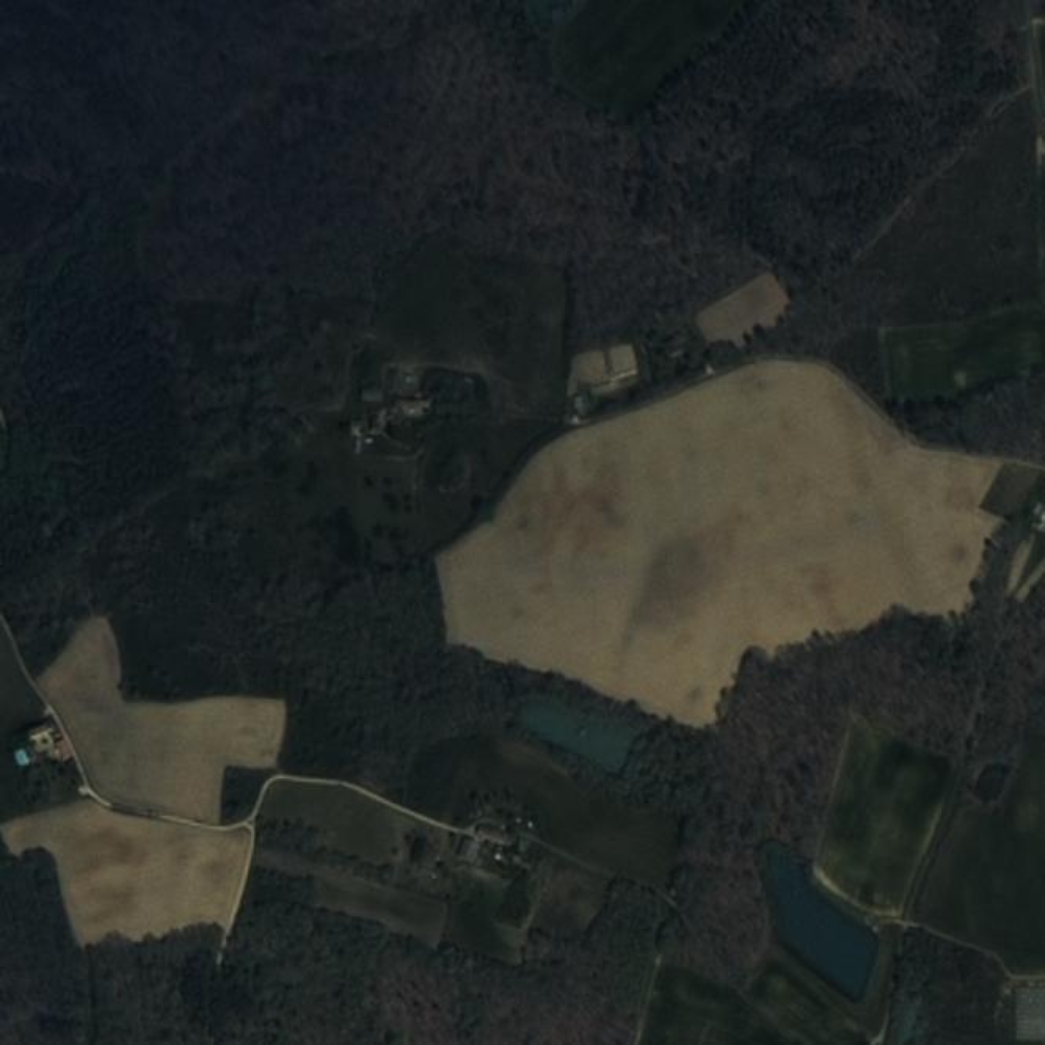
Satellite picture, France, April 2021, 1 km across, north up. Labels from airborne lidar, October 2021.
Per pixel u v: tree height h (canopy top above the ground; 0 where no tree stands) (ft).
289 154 42
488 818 0
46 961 53
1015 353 0
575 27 0
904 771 0
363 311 0
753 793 53
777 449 0
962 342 0
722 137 67
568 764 55
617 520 0
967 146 31
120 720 0
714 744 57
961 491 0
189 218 47
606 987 42
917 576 0
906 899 0
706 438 0
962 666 64
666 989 0
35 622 42
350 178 19
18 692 0
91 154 55
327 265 66
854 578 0
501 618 0
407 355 0
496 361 0
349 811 0
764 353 50
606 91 0
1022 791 0
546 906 0
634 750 30
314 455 0
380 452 0
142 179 59
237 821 48
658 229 68
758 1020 0
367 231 62
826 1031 0
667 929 44
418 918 0
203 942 35
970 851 0
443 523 0
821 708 46
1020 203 21
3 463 37
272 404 44
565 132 36
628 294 56
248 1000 49
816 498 0
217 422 55
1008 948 0
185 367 47
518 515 0
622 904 40
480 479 0
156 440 63
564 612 0
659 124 66
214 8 49
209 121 67
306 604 34
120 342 62
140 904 0
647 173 47
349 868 31
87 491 53
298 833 36
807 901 0
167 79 51
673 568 0
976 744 49
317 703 24
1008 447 63
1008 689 54
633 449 0
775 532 0
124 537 37
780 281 45
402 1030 53
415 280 0
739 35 52
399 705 33
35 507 72
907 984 27
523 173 48
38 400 70
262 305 41
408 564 30
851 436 0
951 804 0
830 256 50
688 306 46
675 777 26
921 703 63
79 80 53
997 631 52
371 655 42
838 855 0
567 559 0
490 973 53
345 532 0
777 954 0
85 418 78
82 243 62
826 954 0
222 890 0
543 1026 40
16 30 61
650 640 0
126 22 60
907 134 50
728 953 58
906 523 0
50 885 33
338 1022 46
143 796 0
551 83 38
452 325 0
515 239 45
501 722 63
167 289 40
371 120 31
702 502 0
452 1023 43
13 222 46
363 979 34
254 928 38
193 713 0
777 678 42
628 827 0
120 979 41
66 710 0
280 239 37
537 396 0
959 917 0
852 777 0
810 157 46
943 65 48
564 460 0
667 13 0
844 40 65
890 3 24
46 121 59
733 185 31
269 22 67
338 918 40
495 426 0
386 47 45
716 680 0
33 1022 60
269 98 67
